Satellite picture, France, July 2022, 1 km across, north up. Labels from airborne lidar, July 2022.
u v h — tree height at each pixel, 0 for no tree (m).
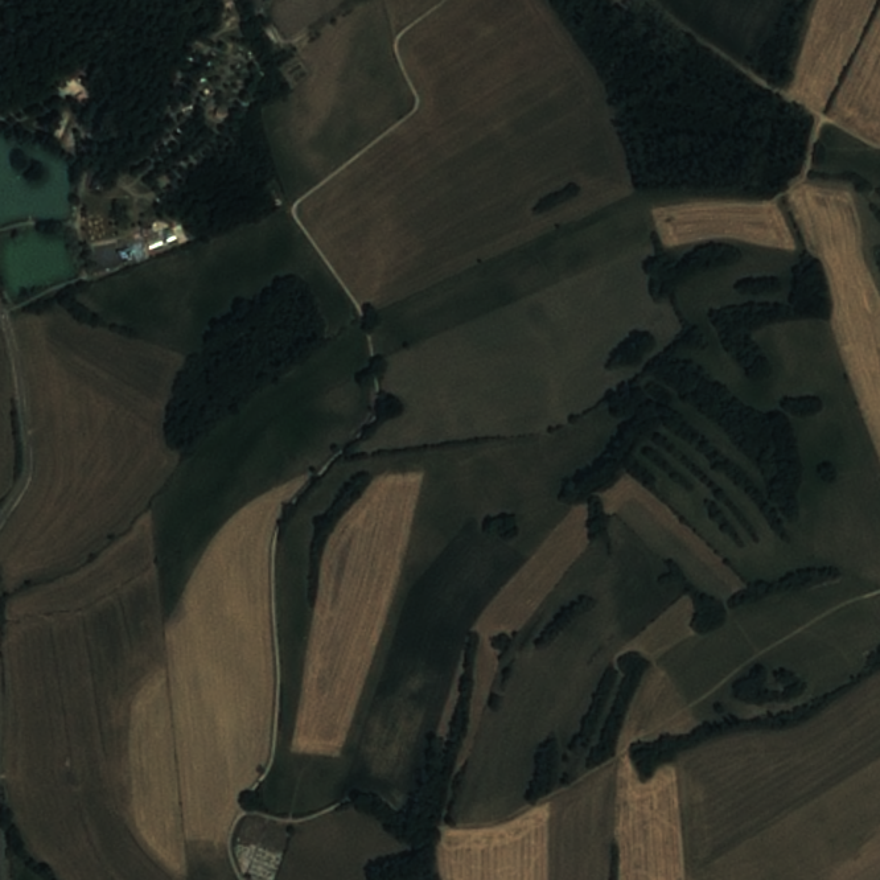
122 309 0
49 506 0
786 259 0
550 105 0
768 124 24
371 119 0
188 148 14
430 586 0
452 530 0
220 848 0
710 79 7
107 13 17
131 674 0
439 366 0
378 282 0
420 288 0
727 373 0
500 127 0
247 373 7
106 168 22
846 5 0
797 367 0
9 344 0
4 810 14
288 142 0
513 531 6
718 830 0
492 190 0
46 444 0
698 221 0
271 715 0
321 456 0
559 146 0
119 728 0
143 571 0
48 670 0
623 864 0
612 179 0
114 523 0
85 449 0
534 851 0
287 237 0
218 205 14
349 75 0
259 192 13
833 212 0
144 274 0
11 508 0
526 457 0
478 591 0
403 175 0
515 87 0
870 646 0
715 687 0
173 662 0
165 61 16
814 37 0
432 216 0
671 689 0
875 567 0
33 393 0
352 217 0
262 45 11
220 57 11
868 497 0
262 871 0
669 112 12
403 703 0
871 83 0
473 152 0
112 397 0
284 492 0
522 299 0
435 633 0
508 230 0
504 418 0
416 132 0
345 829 0
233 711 0
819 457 0
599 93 0
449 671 0
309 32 0
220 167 11
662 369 12
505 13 0
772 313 14
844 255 0
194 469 0
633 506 0
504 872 0
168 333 0
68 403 0
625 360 16
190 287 0
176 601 0
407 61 0
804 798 0
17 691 0
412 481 0
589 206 0
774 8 0
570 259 0
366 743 0
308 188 0
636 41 14
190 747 0
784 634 0
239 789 0
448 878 0
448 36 0
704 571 0
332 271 0
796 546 0
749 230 0
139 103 21
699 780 0
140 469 0
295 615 0
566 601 0
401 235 0
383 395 8
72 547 0
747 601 12
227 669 0
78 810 0
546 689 0
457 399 0
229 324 20
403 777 0
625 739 0
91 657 0
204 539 0
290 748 0
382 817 14
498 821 0
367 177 0
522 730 0
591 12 7
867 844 0
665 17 31
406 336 0
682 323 7
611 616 0
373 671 0
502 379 0
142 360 0
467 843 0
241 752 0
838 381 0
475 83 0
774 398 0
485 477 0
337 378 0
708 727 11
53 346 0
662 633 0
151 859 0
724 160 21
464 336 0
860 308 0
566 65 0
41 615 0
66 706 0
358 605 0
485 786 0
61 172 0
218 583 0
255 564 0
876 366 0
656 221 0
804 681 7
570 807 0
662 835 0
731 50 0
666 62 9
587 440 0
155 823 0
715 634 0
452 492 0
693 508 0
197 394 6
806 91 0
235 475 0
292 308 16
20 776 0
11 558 0
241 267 0
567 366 0
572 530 0
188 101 23
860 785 0
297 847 0
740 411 13
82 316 23
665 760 8
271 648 0
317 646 0
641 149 25
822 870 0
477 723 0
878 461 0
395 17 0
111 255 0
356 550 0
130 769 0
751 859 0
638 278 0
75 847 0
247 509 0
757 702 8
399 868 21
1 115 19
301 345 19
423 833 21
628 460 14
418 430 0
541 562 0
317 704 0
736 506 9
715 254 14
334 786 0
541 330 0
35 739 0
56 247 0
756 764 0
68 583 0
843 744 0
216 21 12
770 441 11
